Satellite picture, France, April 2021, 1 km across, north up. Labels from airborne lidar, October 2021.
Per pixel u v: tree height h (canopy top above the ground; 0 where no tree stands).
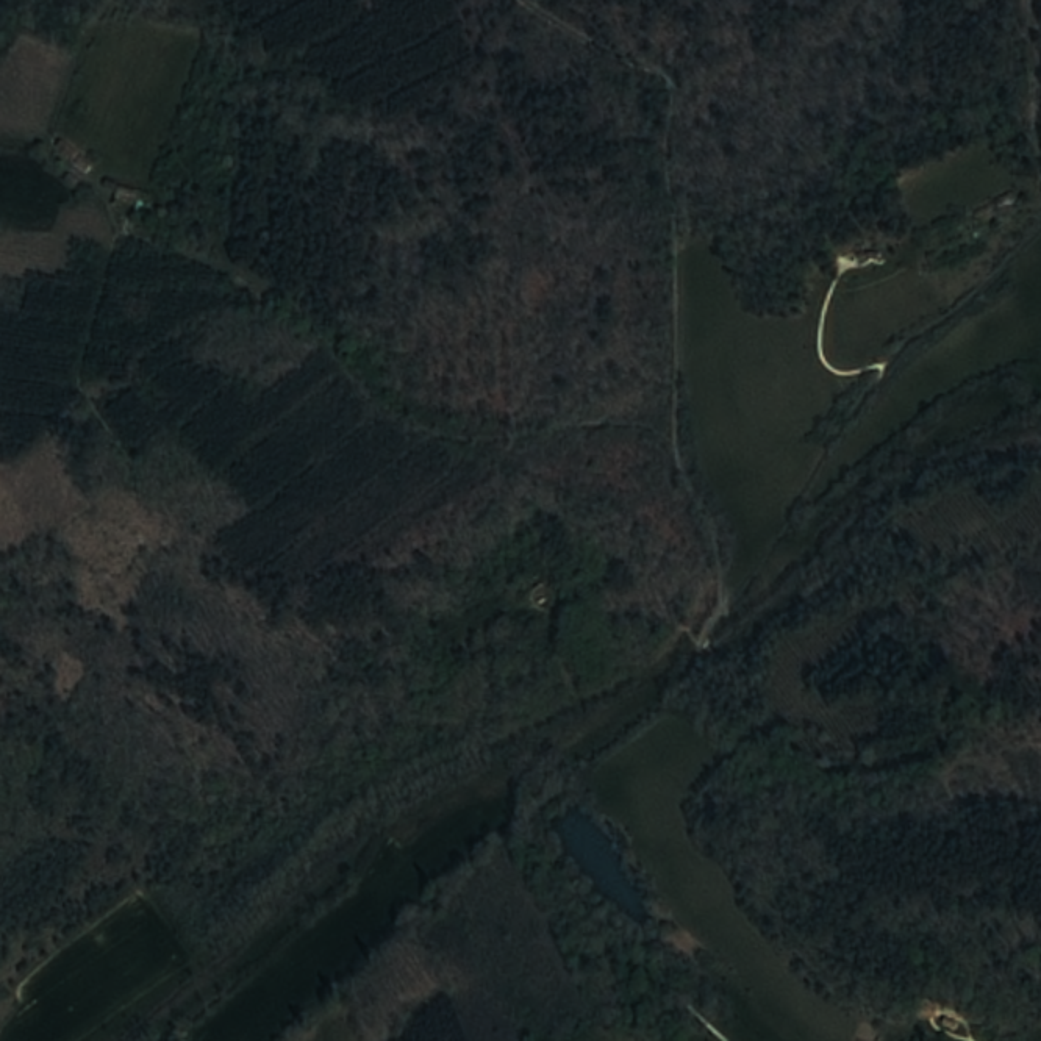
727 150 17
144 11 16
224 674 21
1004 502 23
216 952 16
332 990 15
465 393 13
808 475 0
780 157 19
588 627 25
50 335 12
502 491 7
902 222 14
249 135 20
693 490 15
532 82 10
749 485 0
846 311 0
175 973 0
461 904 15
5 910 15
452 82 16
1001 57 23
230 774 17
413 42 15
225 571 21
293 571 8
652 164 12
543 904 20
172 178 7
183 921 7
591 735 0
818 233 22
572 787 22
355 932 0
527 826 24
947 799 19
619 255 10
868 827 14
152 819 25
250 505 9
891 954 25
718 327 0
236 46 13
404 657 24
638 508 8
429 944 13
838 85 20
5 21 26
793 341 0
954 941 22
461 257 18
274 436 8
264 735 15
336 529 8
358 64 16
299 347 14
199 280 10
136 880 14
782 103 21
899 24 22
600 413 18
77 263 9
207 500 15
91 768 18
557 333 13
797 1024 0
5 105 0
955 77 28
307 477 10
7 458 8
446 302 20
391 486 8
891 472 12
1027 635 0
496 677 28
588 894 17
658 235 17
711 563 18
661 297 7
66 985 0
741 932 0
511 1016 9
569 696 17
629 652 23
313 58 12
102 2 12
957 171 0
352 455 11
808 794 20
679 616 23
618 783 0
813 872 18
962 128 18
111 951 0
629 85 20
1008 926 22
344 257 19
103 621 8
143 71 0
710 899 0
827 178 21
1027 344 0
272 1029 0
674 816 0
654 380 10
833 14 23
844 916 25
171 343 7
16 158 0
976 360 0
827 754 9
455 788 20
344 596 26
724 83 13
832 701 20
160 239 10
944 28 11
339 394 10
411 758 19
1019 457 16
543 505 19
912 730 13
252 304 9
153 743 17
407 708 18
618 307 11
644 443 11
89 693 13
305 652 23
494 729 20
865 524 18
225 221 12
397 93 12
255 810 19
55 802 21
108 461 20
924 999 18
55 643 11
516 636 18
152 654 14
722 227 17
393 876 0
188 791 19
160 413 8
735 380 0
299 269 17
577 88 13
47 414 10
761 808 18
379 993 28
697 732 16
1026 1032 11
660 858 0
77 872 21
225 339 14
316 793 25
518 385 18
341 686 29
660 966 27
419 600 18
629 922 18
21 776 20
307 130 21
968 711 13
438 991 20
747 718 21
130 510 0
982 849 22
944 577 18
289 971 0
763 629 6
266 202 15
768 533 0
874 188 25
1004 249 8
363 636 22
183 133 7
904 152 17
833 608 24
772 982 0
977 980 20
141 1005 0
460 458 7
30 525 0
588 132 28
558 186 12
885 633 22
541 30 13
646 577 15
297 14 15
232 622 16
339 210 19
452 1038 8
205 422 9
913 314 0
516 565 7
